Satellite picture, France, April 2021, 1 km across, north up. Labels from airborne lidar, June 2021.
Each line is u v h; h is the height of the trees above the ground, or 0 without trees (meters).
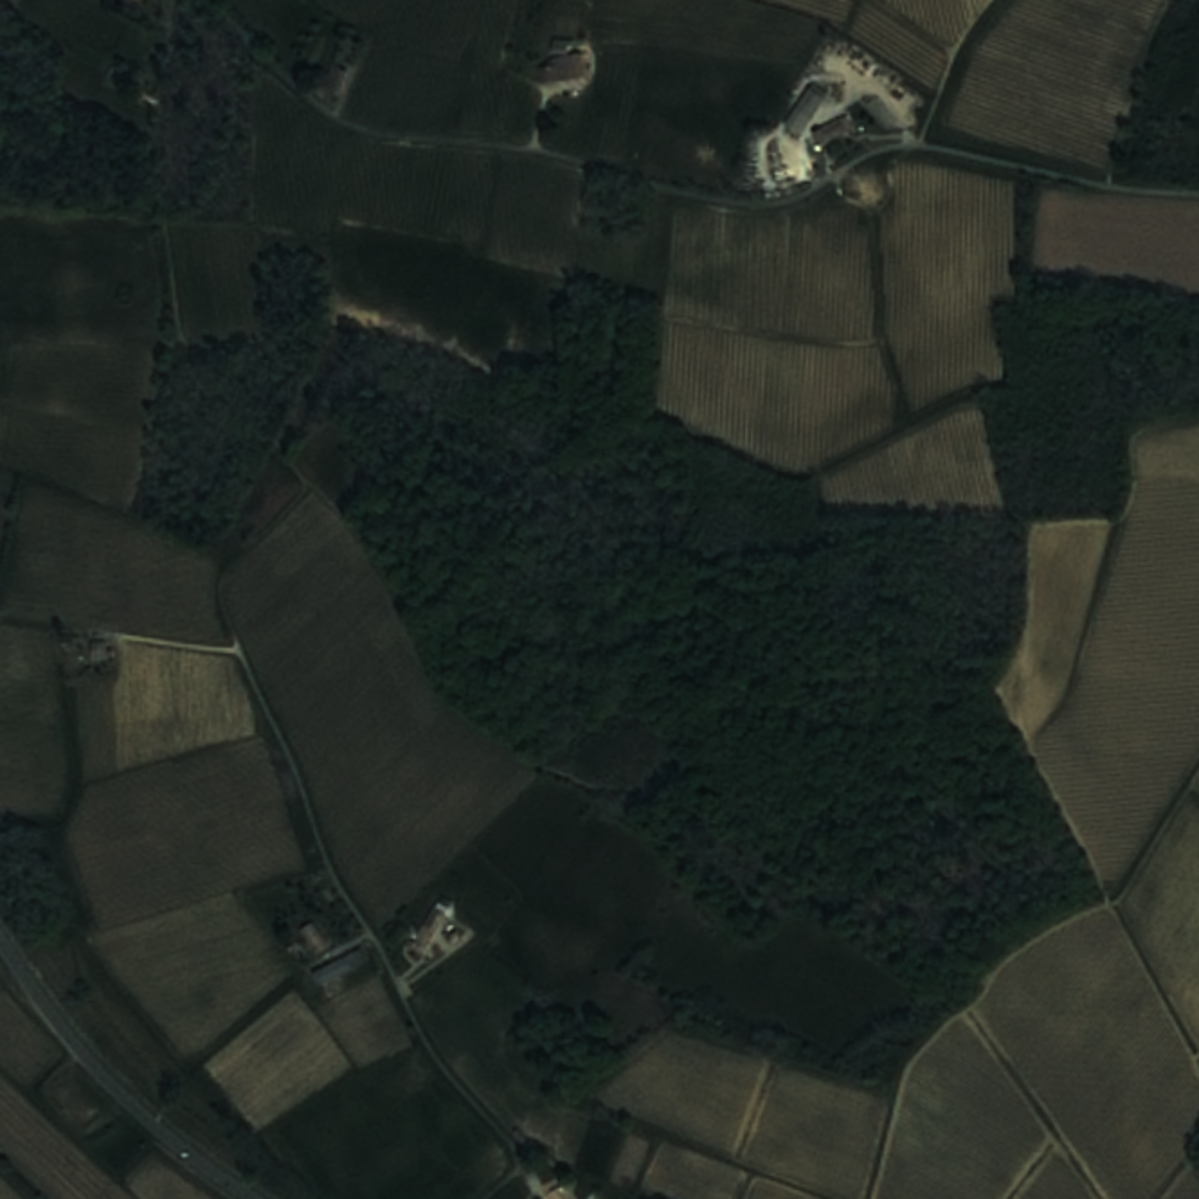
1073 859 17
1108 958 0
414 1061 0
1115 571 0
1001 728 25
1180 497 0
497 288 0
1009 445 9
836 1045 0
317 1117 0
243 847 0
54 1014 0
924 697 20
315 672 0
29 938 21
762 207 14
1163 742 0
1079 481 8
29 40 21
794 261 0
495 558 21
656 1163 0
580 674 21
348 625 0
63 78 16
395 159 0
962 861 11
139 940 0
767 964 0
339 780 0
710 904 21
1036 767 16
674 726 16
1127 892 0
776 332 0
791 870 13
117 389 0
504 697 20
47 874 25
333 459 0
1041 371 12
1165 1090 0
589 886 0
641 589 20
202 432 14
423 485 7
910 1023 18
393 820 0
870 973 0
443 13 0
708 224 0
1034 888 17
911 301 0
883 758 23
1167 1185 0
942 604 19
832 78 0
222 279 0
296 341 18
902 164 0
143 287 0
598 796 9
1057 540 0
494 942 0
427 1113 0
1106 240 0
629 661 24
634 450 19
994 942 28
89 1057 0
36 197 22
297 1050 0
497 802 0
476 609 19
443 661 16
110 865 0
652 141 0
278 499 0
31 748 0
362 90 0
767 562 28
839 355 0
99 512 0
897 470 0
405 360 20
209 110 6
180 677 0
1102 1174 0
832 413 0
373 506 20
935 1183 0
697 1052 0
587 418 19
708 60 0
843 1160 0
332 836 0
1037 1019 0
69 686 0
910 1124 0
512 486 15
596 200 18
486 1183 0
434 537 20
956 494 0
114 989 0
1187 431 0
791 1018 0
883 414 0
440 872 0
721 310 0
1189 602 0
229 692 0
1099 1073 0
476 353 0
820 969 0
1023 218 13
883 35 0
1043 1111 0
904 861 23
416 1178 0
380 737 0
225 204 14
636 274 0
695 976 0
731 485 13
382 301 0
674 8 0
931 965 21
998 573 8
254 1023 0
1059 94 0
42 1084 0
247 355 18
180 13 11
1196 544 0
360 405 21
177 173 10
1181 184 9
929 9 0
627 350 20
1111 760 0
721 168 0
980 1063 0
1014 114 0
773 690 28
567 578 16
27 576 0
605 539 12
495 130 0
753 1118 0
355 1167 0
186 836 0
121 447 0
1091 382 9
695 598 19
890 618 21
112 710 0
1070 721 0
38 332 0
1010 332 9
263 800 0
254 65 11
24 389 0
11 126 21
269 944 0
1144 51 0
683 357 0
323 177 0
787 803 18
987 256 0
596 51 0
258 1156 19
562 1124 0
